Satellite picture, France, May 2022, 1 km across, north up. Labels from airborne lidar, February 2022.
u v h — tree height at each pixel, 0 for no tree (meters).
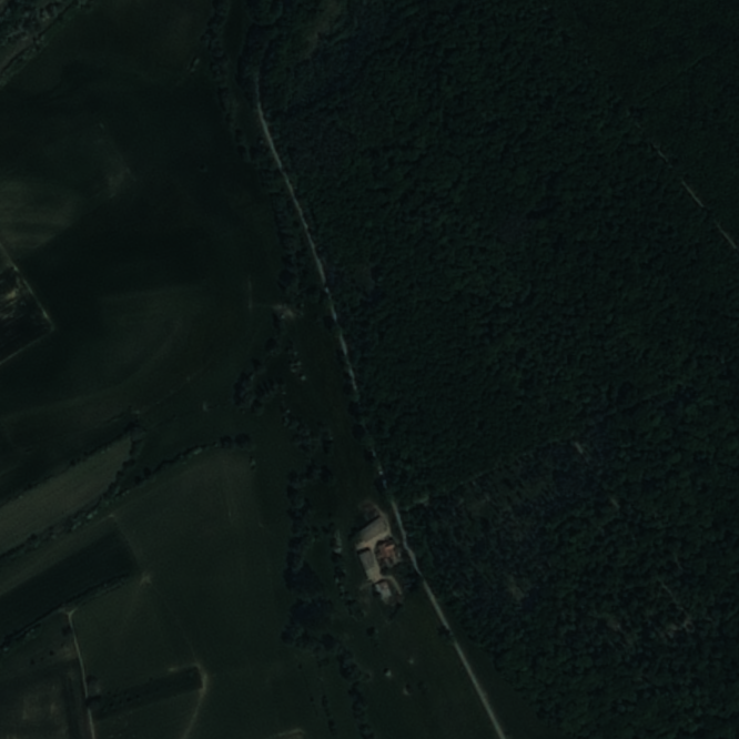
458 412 26
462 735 0
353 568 0
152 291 0
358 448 0
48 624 0
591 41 22
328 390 0
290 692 0
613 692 35
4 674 0
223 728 0
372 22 13
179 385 0
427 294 28
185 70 0
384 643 0
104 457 0
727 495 28
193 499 0
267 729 0
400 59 19
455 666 0
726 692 29
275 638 0
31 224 0
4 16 6
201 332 0
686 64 15
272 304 0
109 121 0
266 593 0
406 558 19
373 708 0
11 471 0
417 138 27
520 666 28
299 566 17
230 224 0
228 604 0
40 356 0
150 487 0
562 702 30
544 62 25
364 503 0
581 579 21
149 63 0
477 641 19
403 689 0
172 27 0
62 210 0
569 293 25
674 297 23
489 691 0
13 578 0
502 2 24
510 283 26
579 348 27
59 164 0
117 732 0
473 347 28
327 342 0
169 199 0
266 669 0
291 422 18
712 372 24
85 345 0
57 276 0
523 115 27
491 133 25
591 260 23
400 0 20
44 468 0
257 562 0
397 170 30
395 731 0
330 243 22
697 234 22
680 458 31
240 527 0
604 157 24
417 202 14
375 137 27
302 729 0
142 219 0
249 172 0
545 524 27
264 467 0
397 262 21
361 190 26
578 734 25
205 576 0
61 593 0
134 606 0
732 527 31
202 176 0
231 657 0
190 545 0
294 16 18
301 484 18
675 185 20
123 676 0
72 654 0
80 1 8
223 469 0
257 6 24
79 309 0
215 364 0
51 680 0
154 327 0
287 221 22
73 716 0
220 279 0
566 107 25
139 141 0
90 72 0
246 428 0
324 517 0
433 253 25
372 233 26
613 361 28
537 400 27
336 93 19
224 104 14
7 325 0
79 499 0
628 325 26
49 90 0
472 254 27
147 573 0
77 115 0
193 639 0
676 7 12
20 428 0
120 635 0
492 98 25
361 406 17
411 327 27
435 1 19
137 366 0
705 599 29
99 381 0
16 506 0
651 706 32
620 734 31
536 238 24
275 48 17
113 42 0
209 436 0
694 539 33
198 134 0
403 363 29
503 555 23
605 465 21
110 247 0
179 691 0
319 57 9
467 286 27
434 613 0
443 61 16
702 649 28
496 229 27
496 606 17
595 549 31
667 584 28
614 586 24
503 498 26
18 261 0
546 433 25
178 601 0
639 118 19
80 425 0
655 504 32
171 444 0
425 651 0
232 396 0
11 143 0
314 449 13
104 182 0
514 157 24
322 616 37
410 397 28
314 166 25
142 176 0
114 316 0
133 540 0
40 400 0
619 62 18
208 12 0
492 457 21
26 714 0
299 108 18
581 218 24
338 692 0
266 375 0
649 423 28
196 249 0
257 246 0
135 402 0
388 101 25
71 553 0
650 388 27
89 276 0
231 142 0
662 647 29
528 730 0
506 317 24
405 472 25
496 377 29
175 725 0
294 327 0
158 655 0
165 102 0
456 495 24
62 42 0
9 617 0
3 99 0
